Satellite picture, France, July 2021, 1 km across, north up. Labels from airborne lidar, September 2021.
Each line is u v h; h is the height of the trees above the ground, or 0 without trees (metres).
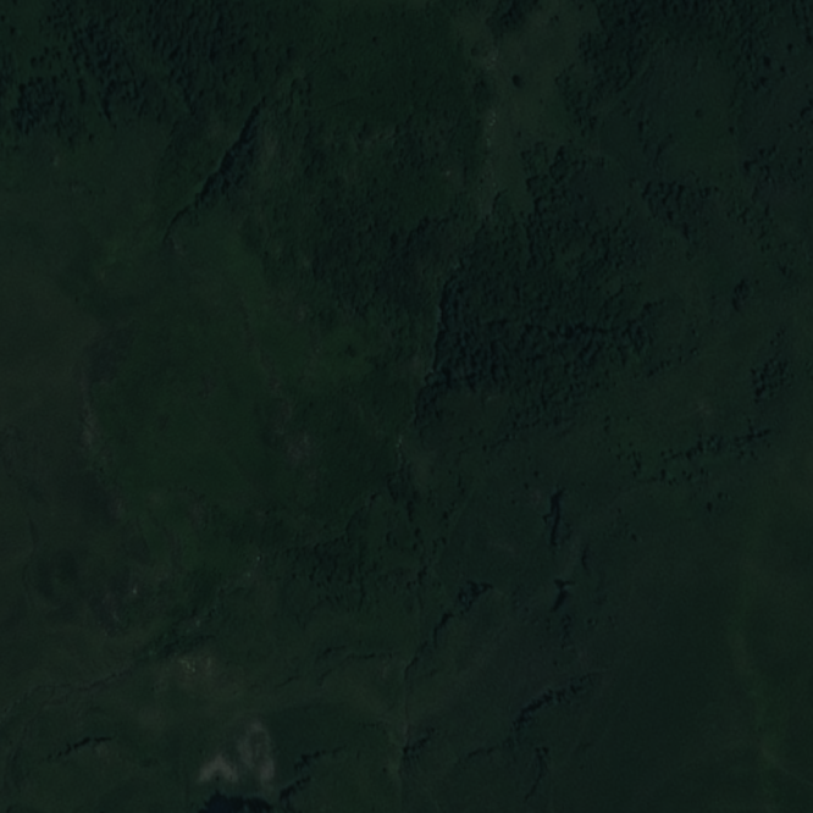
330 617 0
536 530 0
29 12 0
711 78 0
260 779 0
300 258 26
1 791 0
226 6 14
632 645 0
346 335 0
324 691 0
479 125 8
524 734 0
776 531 0
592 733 0
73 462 0
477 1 6
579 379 7
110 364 0
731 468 0
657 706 0
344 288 9
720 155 0
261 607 0
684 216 0
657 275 0
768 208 8
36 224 0
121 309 0
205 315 0
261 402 0
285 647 0
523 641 0
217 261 0
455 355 7
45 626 0
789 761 0
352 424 6
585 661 0
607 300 8
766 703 0
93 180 0
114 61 7
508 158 0
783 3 10
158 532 0
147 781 0
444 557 0
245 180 12
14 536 0
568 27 0
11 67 9
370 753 0
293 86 16
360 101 7
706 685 0
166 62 12
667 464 0
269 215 7
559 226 6
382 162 7
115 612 0
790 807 0
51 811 0
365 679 0
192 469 0
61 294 0
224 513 6
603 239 7
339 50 9
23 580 0
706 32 6
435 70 8
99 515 0
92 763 0
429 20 10
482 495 0
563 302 10
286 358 0
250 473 0
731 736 0
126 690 0
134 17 18
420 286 12
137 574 0
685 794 0
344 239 18
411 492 8
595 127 9
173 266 0
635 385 0
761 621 0
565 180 10
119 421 0
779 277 0
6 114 17
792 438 0
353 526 8
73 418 0
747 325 0
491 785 0
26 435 0
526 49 0
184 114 19
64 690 0
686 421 0
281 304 0
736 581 0
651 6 12
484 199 0
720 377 0
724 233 0
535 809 0
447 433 0
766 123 0
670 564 0
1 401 0
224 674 0
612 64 7
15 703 0
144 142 0
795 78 0
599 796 0
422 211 9
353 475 11
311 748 0
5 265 0
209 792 0
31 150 0
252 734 0
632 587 0
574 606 0
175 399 0
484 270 9
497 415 0
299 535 7
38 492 0
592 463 0
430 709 0
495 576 0
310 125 15
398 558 0
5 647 0
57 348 0
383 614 0
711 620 0
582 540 0
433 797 0
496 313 10
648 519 0
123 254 0
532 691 0
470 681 0
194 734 0
